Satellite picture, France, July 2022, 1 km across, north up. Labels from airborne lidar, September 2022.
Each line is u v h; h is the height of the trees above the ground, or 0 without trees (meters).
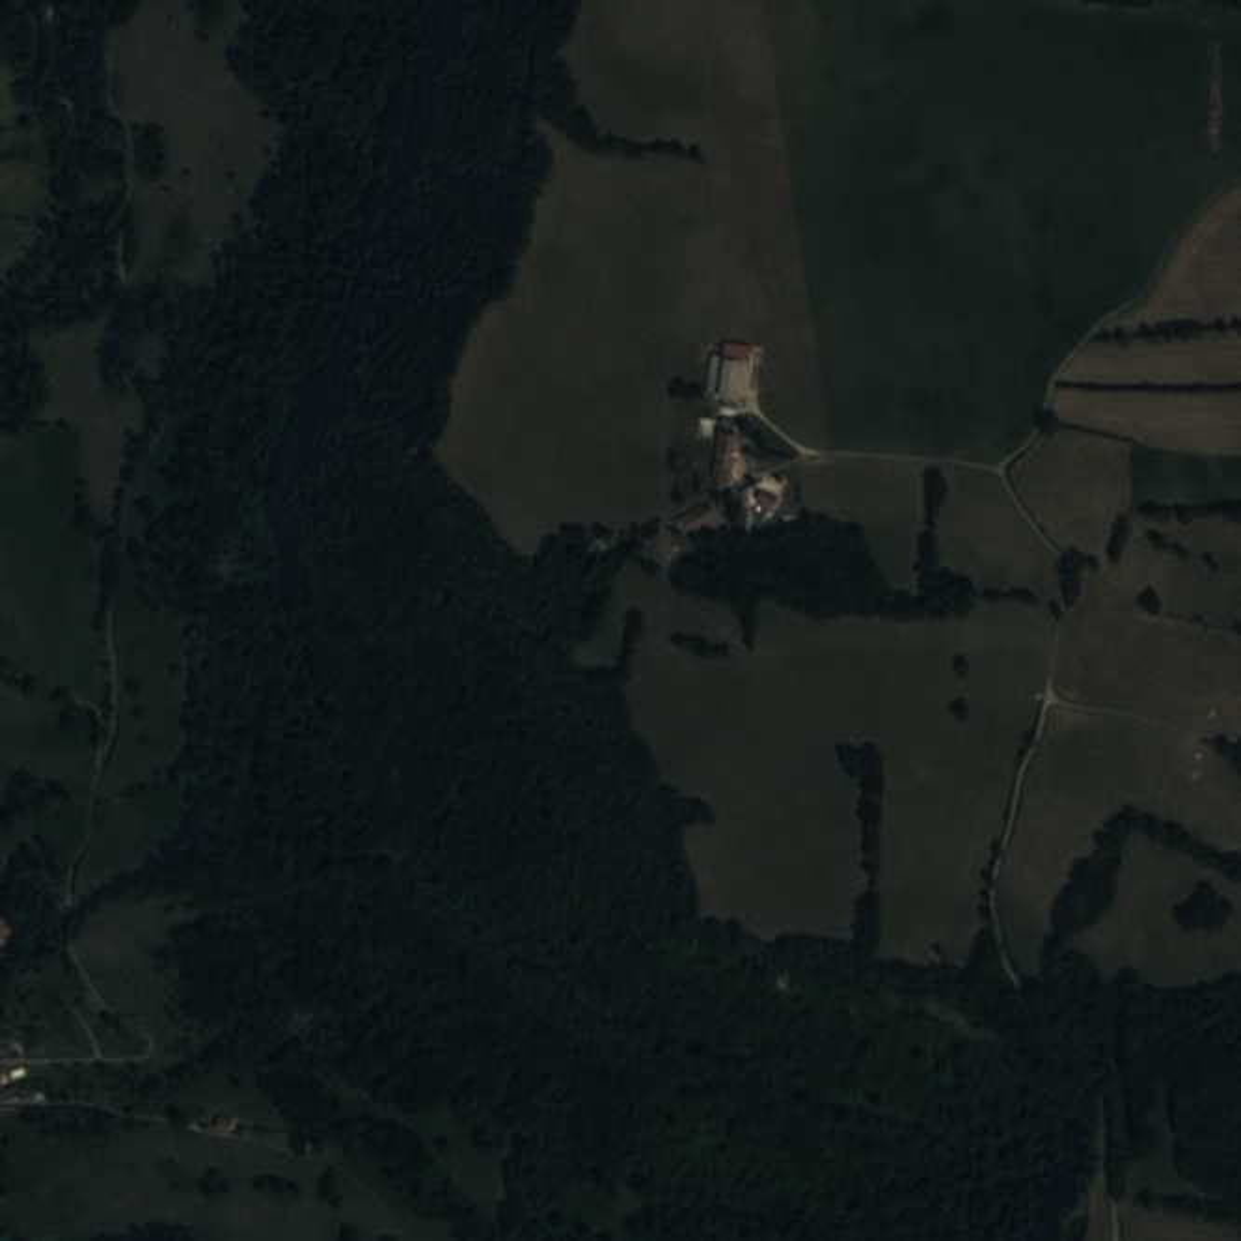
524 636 20
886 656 0
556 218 0
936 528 12
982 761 0
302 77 13
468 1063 26
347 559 23
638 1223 15
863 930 17
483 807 19
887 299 0
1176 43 0
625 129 0
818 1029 22
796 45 0
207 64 0
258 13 20
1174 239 0
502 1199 0
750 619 13
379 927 24
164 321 18
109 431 0
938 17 0
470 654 23
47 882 22
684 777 0
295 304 18
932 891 0
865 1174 19
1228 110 0
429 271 27
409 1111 16
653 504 0
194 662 8
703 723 0
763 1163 13
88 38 34
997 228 0
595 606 21
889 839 0
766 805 0
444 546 19
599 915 22
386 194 30
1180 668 0
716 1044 21
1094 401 0
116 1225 0
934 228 0
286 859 19
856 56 0
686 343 0
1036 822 0
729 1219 29
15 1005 7
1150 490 0
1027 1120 24
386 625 23
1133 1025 23
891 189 0
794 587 13
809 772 0
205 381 20
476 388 0
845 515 0
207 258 0
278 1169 0
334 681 17
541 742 19
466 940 35
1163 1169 0
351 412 15
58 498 0
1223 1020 26
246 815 20
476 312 10
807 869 0
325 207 22
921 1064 20
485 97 24
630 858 14
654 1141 17
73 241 9
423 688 27
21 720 0
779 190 0
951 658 0
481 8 20
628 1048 21
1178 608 0
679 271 0
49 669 0
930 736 0
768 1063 20
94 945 0
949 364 0
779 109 0
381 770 21
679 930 19
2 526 0
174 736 0
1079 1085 17
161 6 0
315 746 23
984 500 0
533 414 0
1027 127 0
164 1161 0
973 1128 12
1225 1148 18
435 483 11
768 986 10
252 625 25
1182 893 0
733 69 0
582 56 0
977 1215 18
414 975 25
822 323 0
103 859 0
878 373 0
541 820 23
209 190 0
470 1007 26
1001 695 0
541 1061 27
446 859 18
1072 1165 29
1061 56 0
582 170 0
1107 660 0
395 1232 0
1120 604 0
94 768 0
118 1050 0
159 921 0
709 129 0
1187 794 0
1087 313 0
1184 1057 23
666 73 0
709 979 18
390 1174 16
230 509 9
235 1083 11
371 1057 23
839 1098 15
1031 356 0
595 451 0
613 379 0
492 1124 8
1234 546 0
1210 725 0
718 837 0
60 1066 7
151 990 0
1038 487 0
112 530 8
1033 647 0
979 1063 17
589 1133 19
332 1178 8
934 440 0
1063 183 0
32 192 0
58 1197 0
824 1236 16
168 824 0
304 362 14
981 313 0
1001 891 0
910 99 0
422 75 16
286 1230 0
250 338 22
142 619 0
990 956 19
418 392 29
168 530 28
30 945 21
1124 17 0
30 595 0
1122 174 0
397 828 16
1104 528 0
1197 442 0
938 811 0
